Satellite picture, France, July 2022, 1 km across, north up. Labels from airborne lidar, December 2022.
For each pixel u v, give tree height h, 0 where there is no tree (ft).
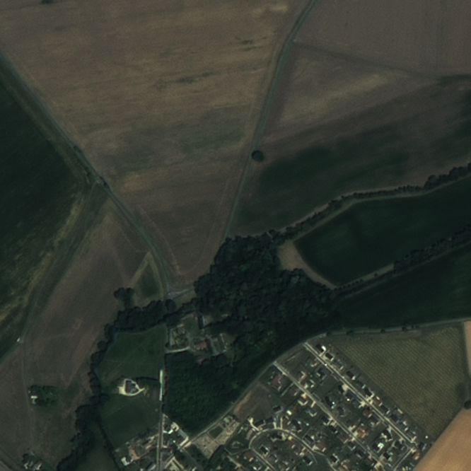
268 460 0
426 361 0
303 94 0
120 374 0
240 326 112
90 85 0
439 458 0
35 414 0
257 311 65
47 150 0
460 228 0
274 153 0
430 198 0
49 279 0
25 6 0
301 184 0
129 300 39
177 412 40
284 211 0
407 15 0
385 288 0
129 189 0
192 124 0
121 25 0
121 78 0
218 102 0
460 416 0
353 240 0
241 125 0
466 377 0
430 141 0
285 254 0
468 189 0
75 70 0
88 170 30
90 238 0
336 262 0
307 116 0
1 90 0
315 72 0
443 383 0
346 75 0
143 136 0
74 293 0
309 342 0
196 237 0
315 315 82
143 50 0
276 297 73
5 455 0
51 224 0
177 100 0
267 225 0
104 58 0
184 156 0
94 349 0
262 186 0
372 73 0
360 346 0
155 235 0
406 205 0
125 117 0
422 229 0
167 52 0
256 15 0
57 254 0
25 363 0
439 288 0
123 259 0
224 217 0
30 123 0
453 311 0
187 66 0
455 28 0
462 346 0
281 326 63
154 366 0
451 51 0
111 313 0
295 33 0
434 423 0
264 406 0
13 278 0
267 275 75
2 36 0
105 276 0
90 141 0
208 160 0
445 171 0
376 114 0
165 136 0
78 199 0
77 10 0
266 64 0
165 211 0
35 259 0
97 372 0
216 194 0
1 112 0
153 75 0
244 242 83
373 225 0
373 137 0
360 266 0
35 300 0
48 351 0
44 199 0
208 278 43
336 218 0
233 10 0
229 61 0
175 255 0
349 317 0
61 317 0
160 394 0
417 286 0
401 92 0
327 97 0
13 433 0
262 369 43
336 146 0
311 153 0
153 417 0
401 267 39
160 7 0
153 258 0
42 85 0
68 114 0
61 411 0
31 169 0
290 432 0
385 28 0
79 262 0
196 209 0
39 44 0
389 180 0
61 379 0
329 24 0
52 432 0
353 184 0
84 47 0
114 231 0
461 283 0
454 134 0
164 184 0
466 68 0
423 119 0
